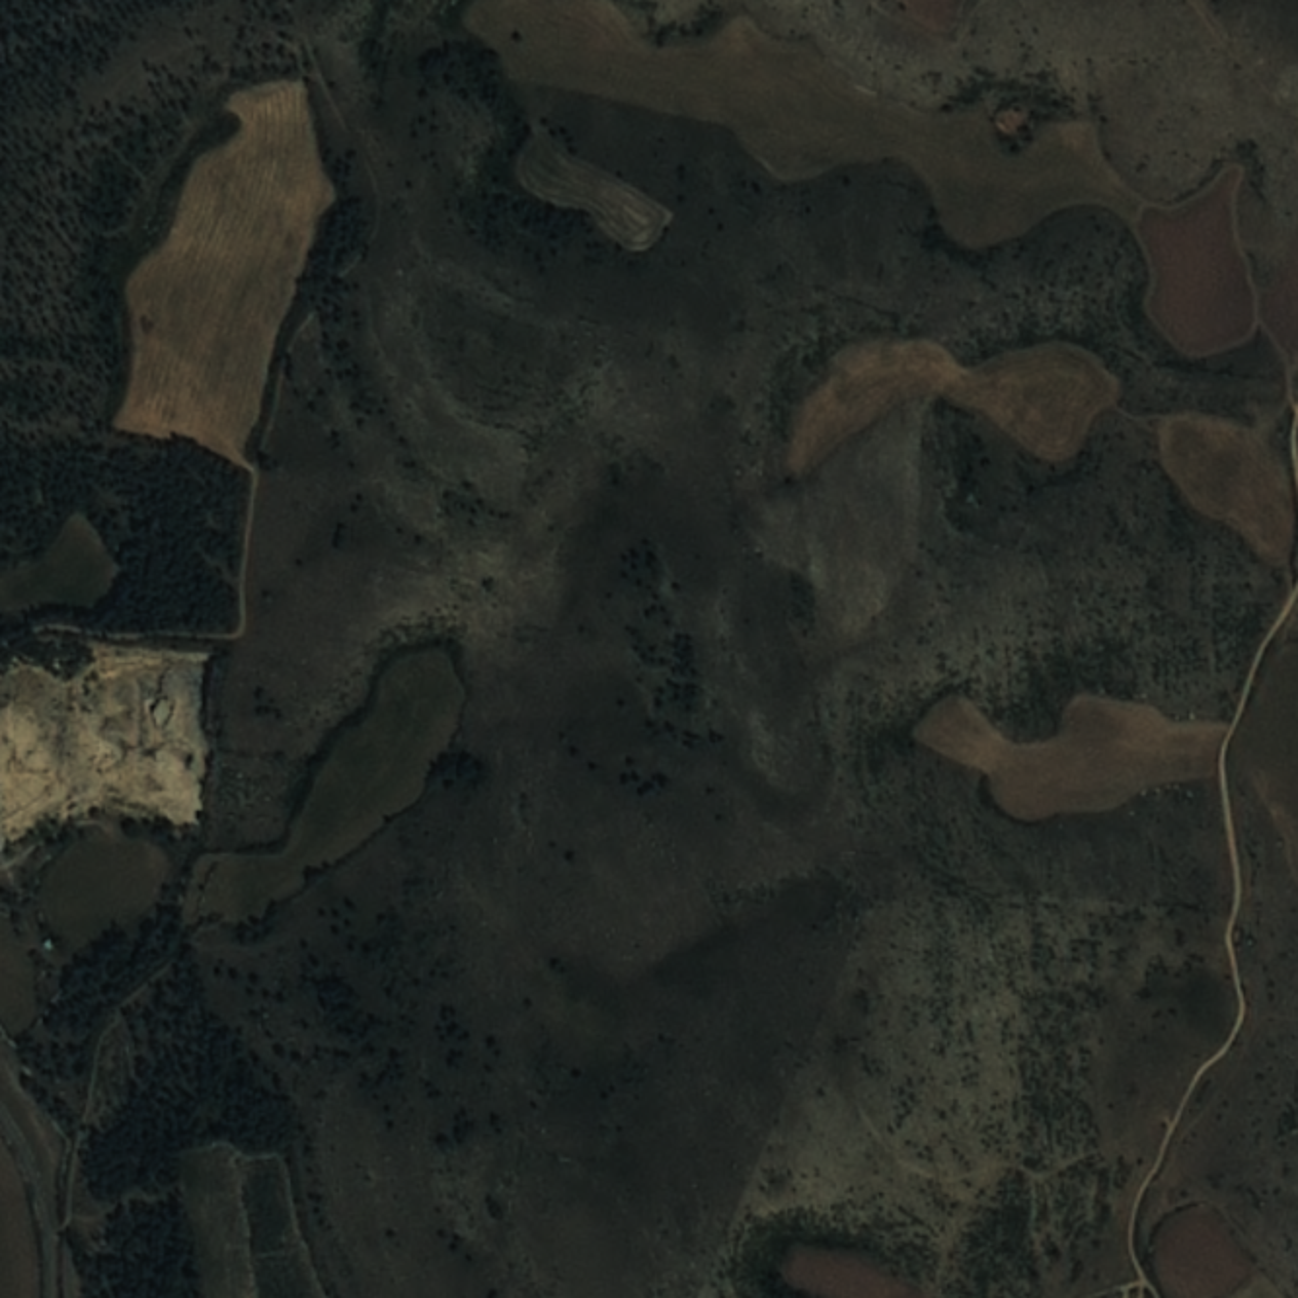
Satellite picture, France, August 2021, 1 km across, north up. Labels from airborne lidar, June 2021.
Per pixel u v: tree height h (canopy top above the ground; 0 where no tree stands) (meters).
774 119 0
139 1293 14
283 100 0
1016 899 0
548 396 0
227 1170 0
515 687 0
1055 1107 0
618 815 0
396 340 0
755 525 0
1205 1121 0
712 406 0
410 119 0
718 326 0
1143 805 0
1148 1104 0
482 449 0
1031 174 0
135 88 0
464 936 0
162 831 11
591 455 0
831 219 0
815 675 0
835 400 0
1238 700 0
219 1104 10
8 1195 0
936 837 0
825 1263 0
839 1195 0
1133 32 0
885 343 0
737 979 0
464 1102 0
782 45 0
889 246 0
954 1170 0
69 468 9
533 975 0
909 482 0
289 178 0
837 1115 0
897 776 0
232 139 0
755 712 0
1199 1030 0
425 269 0
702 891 0
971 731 0
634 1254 0
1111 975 0
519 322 0
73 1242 6
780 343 0
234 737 0
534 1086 0
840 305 0
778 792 0
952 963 0
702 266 0
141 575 11
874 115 0
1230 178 0
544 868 0
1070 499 0
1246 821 0
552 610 0
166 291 0
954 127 0
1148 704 0
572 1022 0
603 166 0
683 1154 0
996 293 0
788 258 0
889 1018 0
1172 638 0
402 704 0
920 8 0
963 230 0
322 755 7
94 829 0
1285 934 0
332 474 0
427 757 0
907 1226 0
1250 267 0
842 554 0
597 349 0
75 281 13
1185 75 0
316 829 0
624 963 0
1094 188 0
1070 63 0
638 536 0
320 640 0
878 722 0
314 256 8
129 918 0
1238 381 0
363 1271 0
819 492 0
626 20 0
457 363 0
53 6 14
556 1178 0
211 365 0
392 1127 6
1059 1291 0
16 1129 0
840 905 0
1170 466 0
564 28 0
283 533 0
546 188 0
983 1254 0
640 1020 0
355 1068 0
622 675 0
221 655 6
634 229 0
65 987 10
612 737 0
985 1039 0
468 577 0
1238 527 0
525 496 0
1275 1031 0
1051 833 0
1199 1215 0
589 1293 0
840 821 0
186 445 15
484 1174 0
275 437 0
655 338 0
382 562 0
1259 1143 0
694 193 0
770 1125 0
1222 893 0
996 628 0
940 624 0
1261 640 0
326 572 0
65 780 0
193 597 14
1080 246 0
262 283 0
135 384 0
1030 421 0
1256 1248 0
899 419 0
